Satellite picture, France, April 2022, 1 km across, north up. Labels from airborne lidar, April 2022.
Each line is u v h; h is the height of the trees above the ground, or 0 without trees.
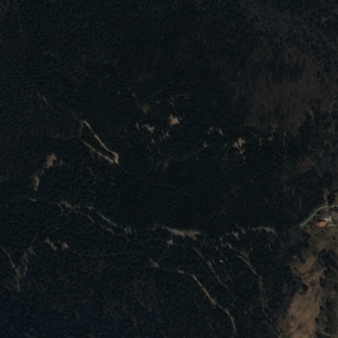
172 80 13
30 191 26
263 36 13
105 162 17
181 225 14
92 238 10
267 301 22
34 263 22
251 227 23
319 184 35
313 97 24
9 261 28
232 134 13
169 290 21
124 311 26
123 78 12
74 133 21
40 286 29
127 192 17
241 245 14
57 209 33
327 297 0
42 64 27
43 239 20
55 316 24
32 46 27
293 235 21
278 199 15
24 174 27
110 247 33
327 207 0
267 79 13
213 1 6
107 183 20
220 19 8
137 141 13
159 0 15
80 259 7
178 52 11
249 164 11
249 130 17
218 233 15
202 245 21
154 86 13
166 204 14
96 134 9
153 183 9
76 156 34
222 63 13
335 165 29
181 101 9
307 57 9
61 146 28
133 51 15
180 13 11
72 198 30
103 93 9
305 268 0
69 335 26
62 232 24
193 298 29
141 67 16
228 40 8
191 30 17
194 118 7
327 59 18
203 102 15
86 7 20
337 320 0
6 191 32
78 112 24
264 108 17
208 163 10
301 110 10
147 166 9
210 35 18
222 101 15
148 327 16
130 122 9
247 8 20
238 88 14
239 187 12
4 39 22
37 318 26
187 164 11
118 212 14
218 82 16
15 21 15
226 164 7
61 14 31
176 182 12
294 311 0
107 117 16
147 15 20
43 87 29
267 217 19
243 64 19
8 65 25
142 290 26
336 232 0
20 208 36
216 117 16
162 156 14
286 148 13
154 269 8
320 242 0
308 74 13
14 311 28
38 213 31
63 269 28
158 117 9
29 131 25
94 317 20
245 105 12
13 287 16
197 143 24
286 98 14
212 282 7
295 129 14
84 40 30
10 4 21
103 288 13
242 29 12
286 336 0
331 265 7
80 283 12
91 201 26
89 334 24
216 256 27
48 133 32
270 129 16
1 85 31
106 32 24
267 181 16
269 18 17
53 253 24
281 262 26
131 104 10
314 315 0
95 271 26
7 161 34
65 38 26
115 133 9
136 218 19
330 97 18
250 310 18
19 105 27
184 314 29
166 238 25
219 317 14
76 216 13
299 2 32
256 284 12
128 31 22
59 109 9
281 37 7
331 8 30
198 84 13
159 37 19
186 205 11
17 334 8
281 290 7
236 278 6
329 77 22
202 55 13
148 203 22
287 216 23
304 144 20
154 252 25
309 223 7
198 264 6
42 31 27
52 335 32
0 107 30
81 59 29
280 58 14
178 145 24
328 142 11
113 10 22
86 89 15
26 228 29
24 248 37
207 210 13
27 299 29
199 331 31
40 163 23
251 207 17
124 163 17
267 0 28
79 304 28
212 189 15
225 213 16
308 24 24
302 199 9
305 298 0
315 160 14
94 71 14
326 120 14
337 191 7
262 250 24
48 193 36
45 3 27
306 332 0
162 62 13
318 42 20
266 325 37
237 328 11
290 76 14
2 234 34
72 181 29
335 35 26
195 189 8
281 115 13
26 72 21
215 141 28
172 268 14
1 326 22
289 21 13
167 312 17
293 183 13
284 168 14
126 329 25
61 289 29
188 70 15
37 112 32
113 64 13
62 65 34
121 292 14
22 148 32
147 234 16
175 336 26
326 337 0
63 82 30
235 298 35
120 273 15
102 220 17
